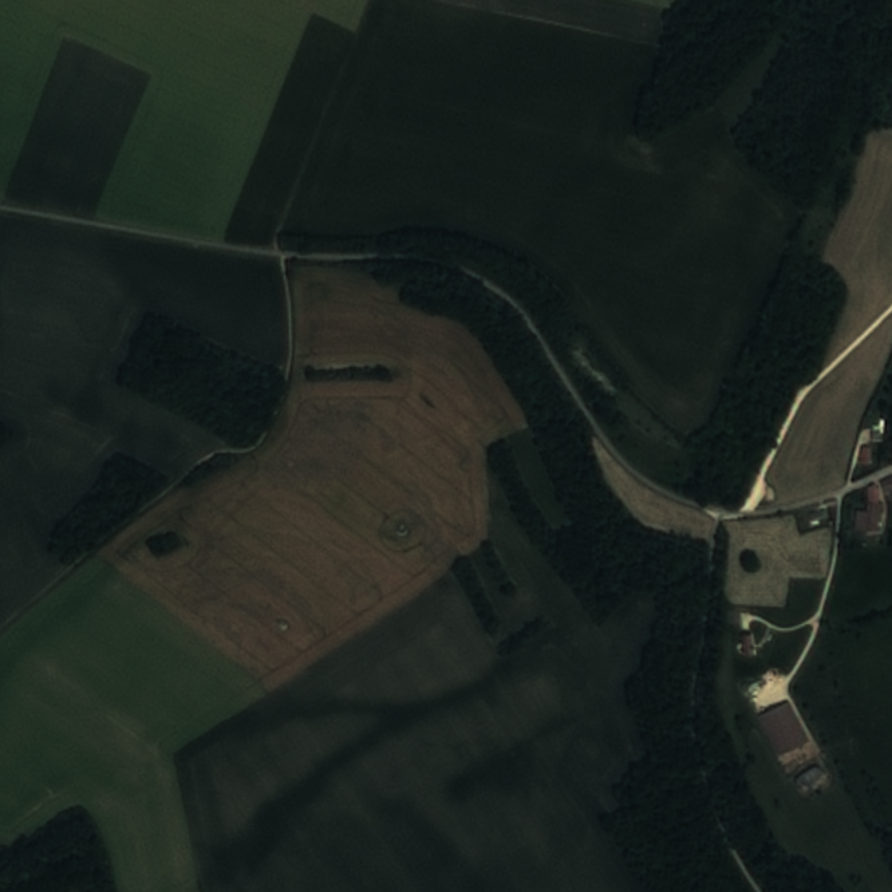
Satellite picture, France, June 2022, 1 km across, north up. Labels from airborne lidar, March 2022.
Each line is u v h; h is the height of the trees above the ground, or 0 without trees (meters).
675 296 0
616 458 0
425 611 0
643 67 0
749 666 0
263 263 0
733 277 0
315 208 0
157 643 0
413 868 0
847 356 0
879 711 0
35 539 0
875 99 17
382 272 20
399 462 0
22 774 0
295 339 0
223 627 0
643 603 0
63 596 0
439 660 0
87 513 9
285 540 0
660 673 18
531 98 0
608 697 0
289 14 0
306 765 0
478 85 0
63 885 17
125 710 0
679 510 0
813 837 0
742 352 7
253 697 0
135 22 0
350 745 0
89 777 0
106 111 0
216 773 0
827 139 19
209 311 0
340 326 0
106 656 0
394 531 0
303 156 0
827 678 0
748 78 0
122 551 0
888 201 0
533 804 0
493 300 21
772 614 0
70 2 0
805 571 0
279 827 0
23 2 0
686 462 0
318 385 0
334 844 0
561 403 18
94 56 0
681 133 0
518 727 0
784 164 17
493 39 0
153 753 0
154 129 0
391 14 0
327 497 0
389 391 0
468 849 0
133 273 0
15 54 0
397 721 0
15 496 0
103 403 0
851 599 0
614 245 0
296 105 0
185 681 0
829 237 0
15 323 0
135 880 0
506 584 11
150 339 18
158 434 0
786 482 0
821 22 23
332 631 0
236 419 6
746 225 0
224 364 12
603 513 21
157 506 0
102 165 0
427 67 0
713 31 21
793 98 22
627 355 0
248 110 0
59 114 0
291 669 0
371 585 0
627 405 0
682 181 0
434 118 0
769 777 0
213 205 0
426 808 0
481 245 16
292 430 0
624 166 0
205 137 0
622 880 0
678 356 0
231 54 0
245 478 0
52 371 0
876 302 0
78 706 0
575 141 0
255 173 0
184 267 0
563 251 0
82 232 0
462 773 0
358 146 0
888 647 0
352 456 0
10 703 0
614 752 0
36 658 0
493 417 0
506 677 0
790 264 10
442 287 20
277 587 0
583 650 0
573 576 17
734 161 0
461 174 0
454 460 0
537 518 15
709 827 17
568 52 0
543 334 9
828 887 25
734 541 0
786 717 0
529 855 0
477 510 0
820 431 0
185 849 0
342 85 0
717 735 25
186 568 0
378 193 0
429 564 0
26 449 0
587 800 0
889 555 0
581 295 0
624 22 0
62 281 0
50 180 0
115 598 0
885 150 0
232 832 0
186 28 0
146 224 0
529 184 0
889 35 22
